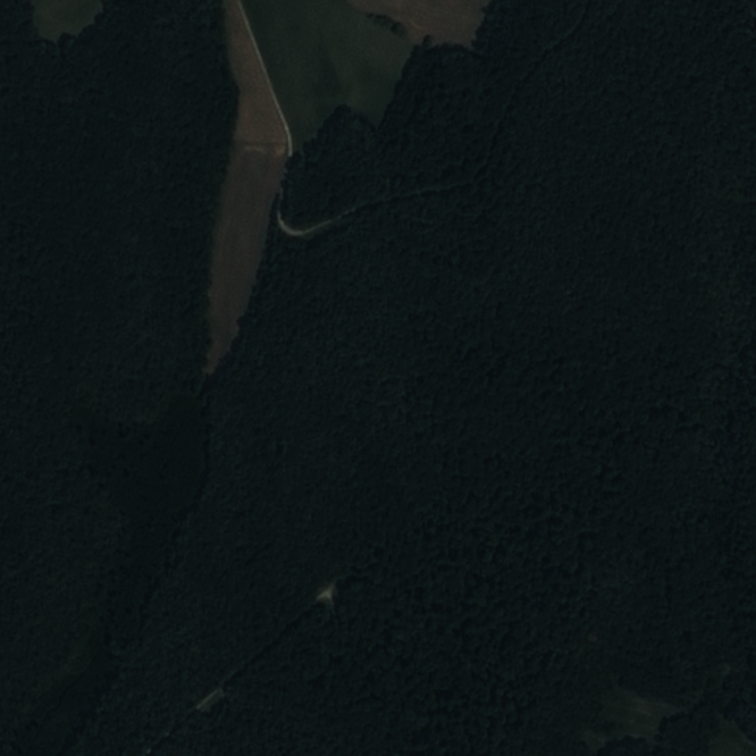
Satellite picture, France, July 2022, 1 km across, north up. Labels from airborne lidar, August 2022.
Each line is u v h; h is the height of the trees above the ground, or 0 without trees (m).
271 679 15
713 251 18
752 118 23
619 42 18
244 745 12
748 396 22
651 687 20
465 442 25
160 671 14
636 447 23
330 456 17
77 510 16
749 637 20
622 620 19
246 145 0
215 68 20
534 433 19
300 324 16
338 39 0
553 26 16
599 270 17
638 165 20
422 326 15
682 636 22
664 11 22
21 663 16
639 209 21
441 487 22
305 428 18
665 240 19
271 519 20
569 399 25
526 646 23
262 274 8
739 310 22
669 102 18
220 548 18
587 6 18
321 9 0
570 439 25
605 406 16
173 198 24
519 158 18
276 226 10
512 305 19
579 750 12
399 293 16
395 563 23
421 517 16
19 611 15
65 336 20
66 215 20
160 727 11
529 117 20
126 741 15
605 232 23
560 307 20
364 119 14
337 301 14
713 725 12
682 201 17
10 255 19
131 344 11
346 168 19
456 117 26
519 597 24
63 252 17
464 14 0
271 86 0
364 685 26
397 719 24
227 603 18
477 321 25
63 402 18
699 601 19
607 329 18
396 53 0
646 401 18
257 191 0
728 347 21
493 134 7
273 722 15
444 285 20
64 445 17
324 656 21
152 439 9
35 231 17
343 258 14
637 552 23
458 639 21
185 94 19
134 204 13
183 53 10
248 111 0
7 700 15
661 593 20
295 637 15
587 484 23
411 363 20
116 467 13
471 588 28
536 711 19
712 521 14
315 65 0
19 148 23
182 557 20
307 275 15
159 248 23
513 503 22
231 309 0
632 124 20
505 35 20
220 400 18
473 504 24
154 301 13
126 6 21
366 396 16
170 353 19
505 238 18
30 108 23
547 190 18
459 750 24
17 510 21
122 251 13
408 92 12
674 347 27
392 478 24
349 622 21
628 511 23
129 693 18
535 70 17
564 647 17
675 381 19
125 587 13
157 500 9
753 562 23
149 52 16
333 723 19
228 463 18
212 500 21
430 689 26
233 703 17
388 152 20
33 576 15
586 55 18
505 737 19
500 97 21
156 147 16
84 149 20
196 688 14
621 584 18
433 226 18
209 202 18
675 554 19
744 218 25
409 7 0
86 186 19
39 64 18
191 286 18
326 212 15
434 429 22
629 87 19
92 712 9
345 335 13
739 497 15
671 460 18
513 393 21
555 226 17
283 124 0
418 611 23
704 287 16
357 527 22
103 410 12
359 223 13
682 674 16
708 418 24
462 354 14
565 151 18
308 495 17
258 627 24
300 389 18
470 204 25
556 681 11
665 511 16
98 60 19
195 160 23
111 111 19
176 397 6
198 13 15
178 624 13
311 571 19
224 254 0
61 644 15
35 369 16
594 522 25
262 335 15
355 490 16
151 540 8
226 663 17
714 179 17
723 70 16
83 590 19
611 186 19
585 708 13
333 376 14
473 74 21
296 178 17
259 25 0
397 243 16
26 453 18
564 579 23
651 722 0
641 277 19
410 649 24
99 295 16
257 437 17
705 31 22
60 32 0
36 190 21
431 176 22
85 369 14
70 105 15
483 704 20
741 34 25
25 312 19
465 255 25
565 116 20
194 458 7
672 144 17
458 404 25
